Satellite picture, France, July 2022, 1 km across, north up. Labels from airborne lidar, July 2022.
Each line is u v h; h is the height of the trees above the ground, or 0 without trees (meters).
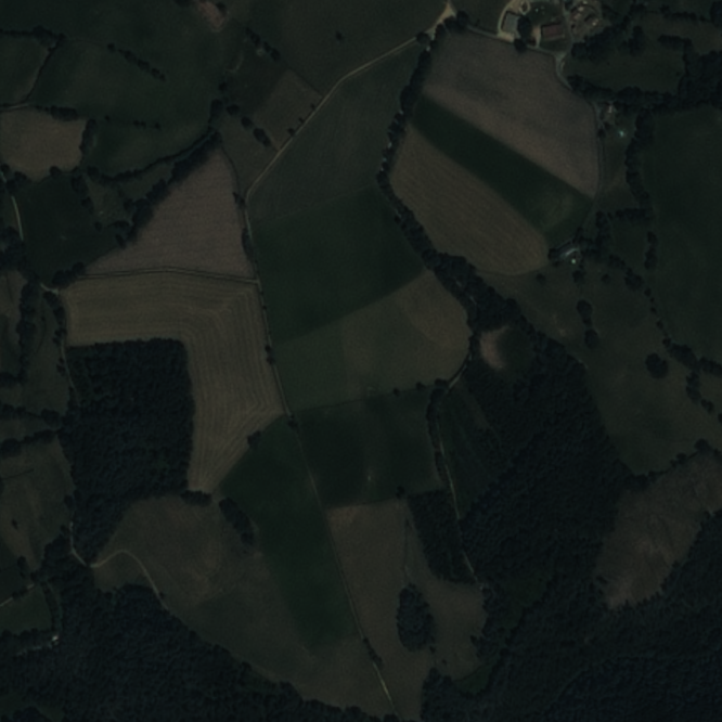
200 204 0
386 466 0
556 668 17
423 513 8
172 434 18
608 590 0
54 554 21
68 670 21
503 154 0
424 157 0
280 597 0
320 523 0
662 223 0
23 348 17
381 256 0
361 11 0
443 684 14
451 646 0
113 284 0
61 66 0
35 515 0
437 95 0
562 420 23
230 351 0
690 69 18
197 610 0
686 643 17
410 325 0
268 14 0
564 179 0
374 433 0
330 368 0
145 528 0
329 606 0
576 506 20
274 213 0
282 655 0
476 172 0
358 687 0
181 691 15
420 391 11
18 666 22
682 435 0
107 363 15
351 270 0
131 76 0
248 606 0
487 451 6
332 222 0
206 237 0
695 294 0
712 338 0
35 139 0
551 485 20
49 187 0
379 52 0
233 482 0
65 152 0
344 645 0
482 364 7
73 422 26
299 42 0
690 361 20
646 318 0
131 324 0
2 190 19
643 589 0
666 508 0
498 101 0
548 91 0
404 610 20
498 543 18
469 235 0
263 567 0
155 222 0
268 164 0
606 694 15
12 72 0
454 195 0
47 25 0
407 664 0
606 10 15
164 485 9
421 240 19
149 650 23
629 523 0
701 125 0
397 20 0
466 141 0
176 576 0
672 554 0
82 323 0
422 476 0
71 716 21
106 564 0
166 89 0
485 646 20
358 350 0
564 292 0
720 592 11
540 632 19
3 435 0
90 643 17
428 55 16
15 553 0
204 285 0
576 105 0
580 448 16
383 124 0
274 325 0
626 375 0
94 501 19
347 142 0
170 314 0
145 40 0
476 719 16
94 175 21
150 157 0
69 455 21
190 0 19
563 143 0
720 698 15
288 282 0
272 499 0
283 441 0
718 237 0
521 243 0
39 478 0
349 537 0
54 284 10
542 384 23
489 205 0
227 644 0
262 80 0
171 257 0
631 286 15
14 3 0
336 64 0
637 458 0
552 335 0
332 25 0
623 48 20
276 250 0
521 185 0
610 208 0
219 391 0
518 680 19
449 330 0
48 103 0
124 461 20
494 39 0
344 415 0
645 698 24
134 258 0
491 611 12
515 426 6
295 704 8
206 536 0
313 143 0
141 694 15
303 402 0
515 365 0
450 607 0
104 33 0
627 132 0
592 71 0
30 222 0
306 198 0
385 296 0
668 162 0
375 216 0
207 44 0
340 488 0
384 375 0
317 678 0
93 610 11
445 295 0
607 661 13
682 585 11
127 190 0
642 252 0
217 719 22
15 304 0
